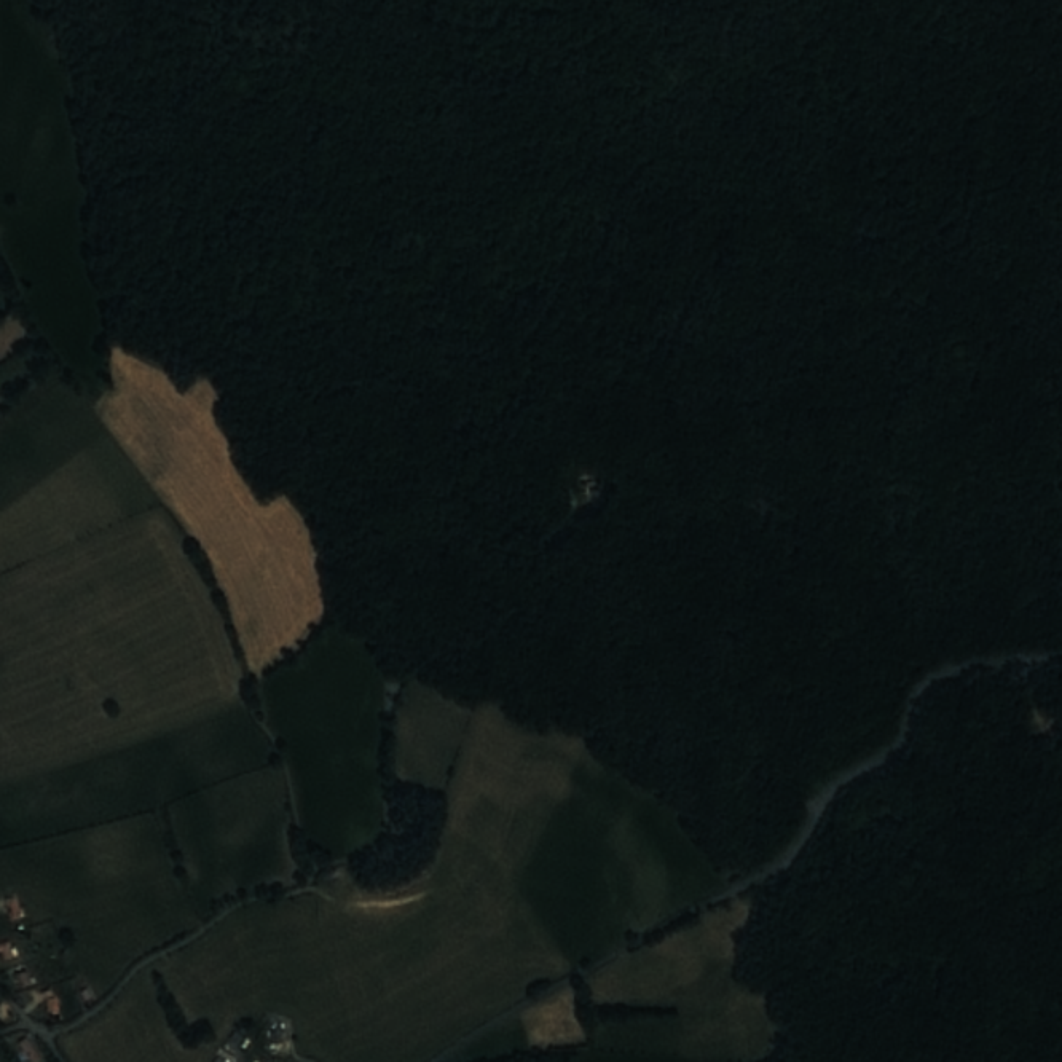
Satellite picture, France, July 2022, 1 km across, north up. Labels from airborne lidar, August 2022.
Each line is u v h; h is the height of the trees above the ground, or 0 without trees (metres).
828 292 18
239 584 0
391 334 11
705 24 17
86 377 0
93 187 13
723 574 19
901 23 17
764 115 19
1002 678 12
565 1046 6
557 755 0
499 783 0
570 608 17
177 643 0
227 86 10
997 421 15
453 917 0
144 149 16
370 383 18
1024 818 23
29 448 0
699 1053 0
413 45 17
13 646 0
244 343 14
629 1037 0
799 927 17
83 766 0
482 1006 0
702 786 16
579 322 18
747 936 16
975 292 24
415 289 12
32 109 0
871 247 22
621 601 18
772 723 18
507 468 18
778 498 17
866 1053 17
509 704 15
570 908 0
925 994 20
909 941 19
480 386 15
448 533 17
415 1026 0
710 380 17
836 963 13
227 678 0
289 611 0
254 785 0
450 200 13
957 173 28
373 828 0
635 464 13
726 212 18
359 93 9
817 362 22
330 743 0
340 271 17
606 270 23
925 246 20
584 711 20
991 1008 16
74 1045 0
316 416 16
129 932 0
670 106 12
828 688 13
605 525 16
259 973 0
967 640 17
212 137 15
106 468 0
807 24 13
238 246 16
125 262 15
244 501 0
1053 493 19
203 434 0
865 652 18
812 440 18
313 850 17
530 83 14
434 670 25
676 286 19
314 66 12
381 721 11
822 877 17
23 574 0
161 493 0
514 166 10
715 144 14
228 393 16
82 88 11
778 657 16
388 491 20
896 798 13
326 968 0
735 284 18
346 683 0
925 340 16
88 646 0
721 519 16
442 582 18
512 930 0
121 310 16
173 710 0
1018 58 18
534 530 11
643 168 11
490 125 12
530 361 17
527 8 15
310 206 17
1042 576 24
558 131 8
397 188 14
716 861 17
